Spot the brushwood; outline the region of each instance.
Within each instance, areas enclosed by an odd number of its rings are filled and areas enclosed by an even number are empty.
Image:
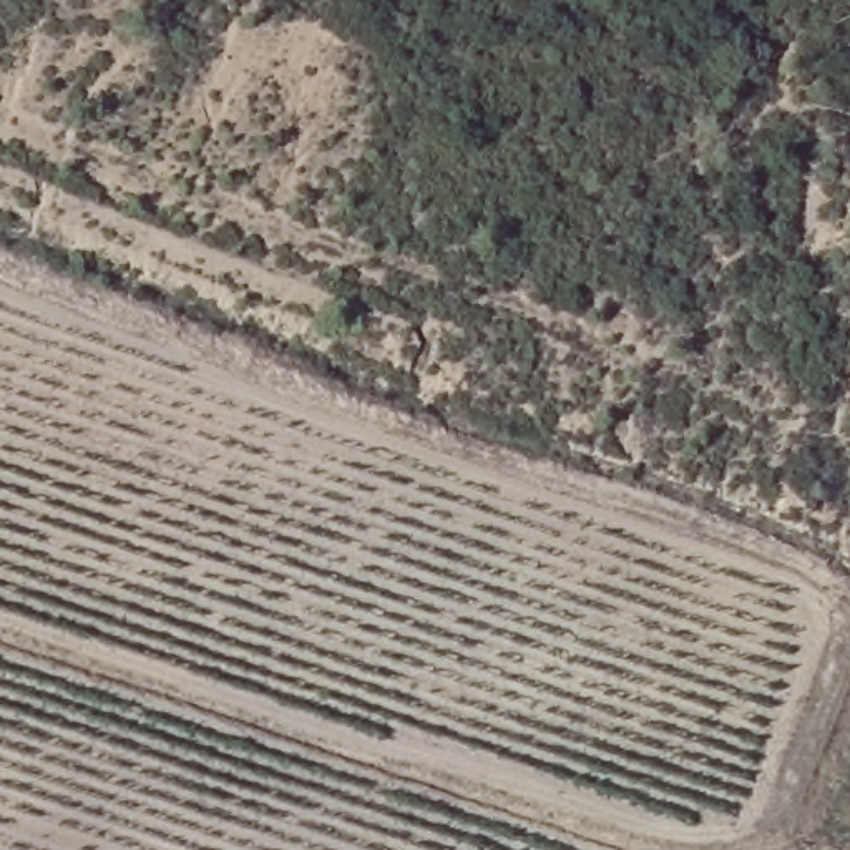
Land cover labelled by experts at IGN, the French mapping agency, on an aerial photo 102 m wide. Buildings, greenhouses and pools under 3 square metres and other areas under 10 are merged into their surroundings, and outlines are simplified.
[[[730,525],[744,525],[800,554],[820,558],[827,571],[850,581],[850,0],[0,0],[0,249],[23,259],[37,259],[50,272],[60,272],[73,282],[93,282],[123,299],[146,302],[156,312],[193,322],[213,335],[236,335],[249,349],[272,355],[286,369],[299,369],[305,375],[335,382],[352,398],[388,405],[412,418],[435,422],[458,442],[511,448],[525,458],[554,462],[581,475],[638,485],[644,491],[717,515]]]

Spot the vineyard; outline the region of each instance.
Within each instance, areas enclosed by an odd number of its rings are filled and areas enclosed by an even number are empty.
[[[412,418],[388,405],[352,398],[335,382],[305,375],[299,369],[286,369],[272,355],[249,349],[236,335],[213,335],[193,322],[156,312],[146,302],[123,299],[93,282],[73,282],[60,272],[50,272],[37,259],[23,259],[0,249],[0,850],[701,850],[704,843],[747,837],[754,823],[764,817],[774,794],[780,754],[790,740],[800,697],[810,687],[813,664],[823,651],[827,631],[840,631],[843,624],[837,601],[850,584],[850,581],[827,571],[820,558],[800,554],[744,525],[730,525],[717,515],[644,491],[638,485],[581,475],[554,462],[525,458],[511,448],[458,442],[435,422]]]

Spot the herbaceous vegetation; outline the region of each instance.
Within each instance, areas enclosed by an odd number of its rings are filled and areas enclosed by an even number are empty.
[[[747,837],[704,843],[701,850],[850,850],[850,584],[837,601],[843,624],[840,631],[827,631],[823,651],[813,664],[810,687],[800,697],[790,740],[780,754],[774,794],[764,817],[754,823]]]

